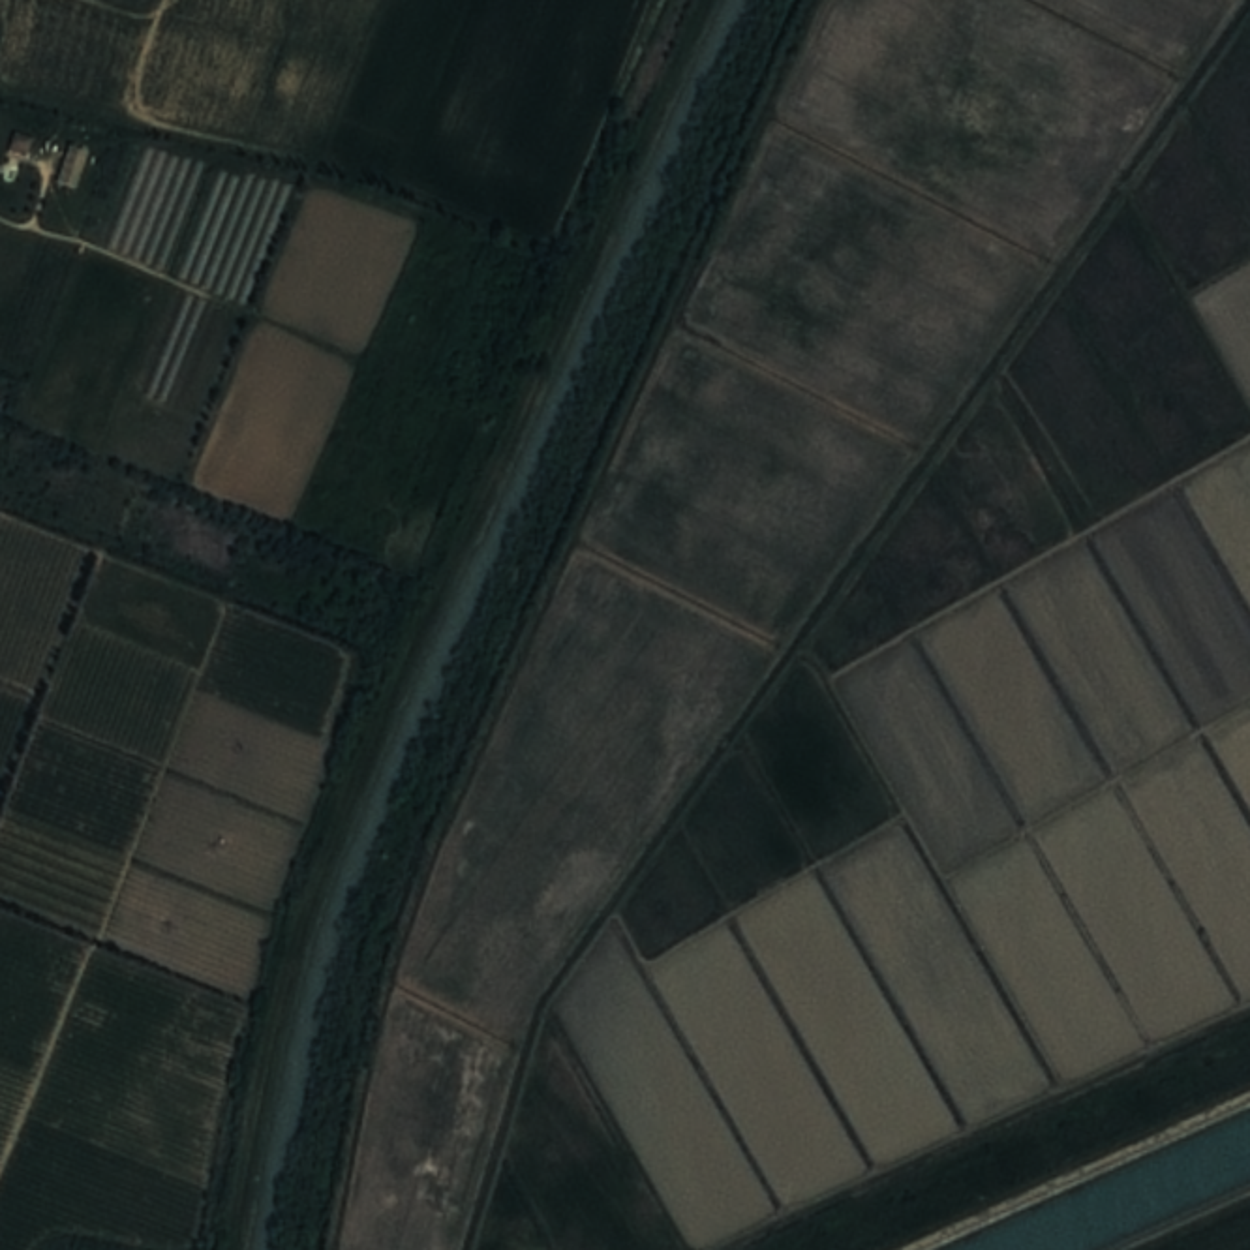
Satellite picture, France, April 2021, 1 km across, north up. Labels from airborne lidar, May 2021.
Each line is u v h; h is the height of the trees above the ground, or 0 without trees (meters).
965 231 0
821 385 0
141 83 0
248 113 0
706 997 0
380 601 13
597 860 0
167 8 0
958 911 0
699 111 8
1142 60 0
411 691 0
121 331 0
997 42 0
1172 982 0
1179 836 0
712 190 6
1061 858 0
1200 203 0
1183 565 0
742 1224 0
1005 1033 0
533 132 0
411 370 0
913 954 0
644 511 0
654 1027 0
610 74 0
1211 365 0
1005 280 0
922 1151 0
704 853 0
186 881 7
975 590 0
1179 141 0
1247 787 0
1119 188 0
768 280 0
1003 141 0
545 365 12
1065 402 0
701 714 0
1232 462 0
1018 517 0
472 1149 0
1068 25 0
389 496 0
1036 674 0
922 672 0
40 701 11
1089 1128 0
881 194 0
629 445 0
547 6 0
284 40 0
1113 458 0
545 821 0
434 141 0
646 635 0
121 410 0
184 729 0
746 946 0
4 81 0
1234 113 0
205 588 9
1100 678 0
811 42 0
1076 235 0
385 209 0
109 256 0
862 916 0
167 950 0
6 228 0
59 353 0
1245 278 0
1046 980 0
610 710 0
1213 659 0
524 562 9
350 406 0
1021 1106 0
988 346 0
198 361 0
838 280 0
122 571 0
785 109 0
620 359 8
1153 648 0
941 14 0
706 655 0
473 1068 0
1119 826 0
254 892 0
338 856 0
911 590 0
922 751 0
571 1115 0
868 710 0
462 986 0
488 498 0
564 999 0
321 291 0
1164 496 0
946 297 0
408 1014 0
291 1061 0
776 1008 0
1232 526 0
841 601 0
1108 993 0
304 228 0
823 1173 0
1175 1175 0
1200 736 0
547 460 10
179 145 0
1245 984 0
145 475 7
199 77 0
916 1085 0
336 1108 7
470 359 6
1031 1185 0
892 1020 0
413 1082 0
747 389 0
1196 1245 0
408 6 0
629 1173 0
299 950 0
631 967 0
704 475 0
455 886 0
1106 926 0
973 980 0
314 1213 8
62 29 0
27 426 8
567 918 0
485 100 0
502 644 7
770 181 0
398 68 0
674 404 0
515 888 0
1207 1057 0
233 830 0
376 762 0
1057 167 0
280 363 0
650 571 0
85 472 6
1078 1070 0
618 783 0
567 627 0
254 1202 0
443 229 0
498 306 7
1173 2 0
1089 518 0
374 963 11
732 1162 0
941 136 0
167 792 0
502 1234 0
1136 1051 0
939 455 0
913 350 0
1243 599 0
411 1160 0
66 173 0
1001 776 0
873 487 0
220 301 0
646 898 0
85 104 0
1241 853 0
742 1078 0
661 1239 0
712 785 0
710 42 0
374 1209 0
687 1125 0
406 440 0
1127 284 0
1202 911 0
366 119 0
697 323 0
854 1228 0
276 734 0
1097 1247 0
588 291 0
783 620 0
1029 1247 0
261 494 0
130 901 0
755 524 0
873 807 0
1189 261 0
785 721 0
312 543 14
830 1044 0
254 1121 0
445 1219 0
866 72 0
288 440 0
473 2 0
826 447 0
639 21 0
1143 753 0
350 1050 11
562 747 0
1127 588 0
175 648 0
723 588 0
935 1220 0
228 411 0
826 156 0
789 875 0
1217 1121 0
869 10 0
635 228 0
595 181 9
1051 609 0
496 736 0
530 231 0
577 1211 0
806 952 0
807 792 0
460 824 0
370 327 0
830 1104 0
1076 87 0
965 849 0
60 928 8
